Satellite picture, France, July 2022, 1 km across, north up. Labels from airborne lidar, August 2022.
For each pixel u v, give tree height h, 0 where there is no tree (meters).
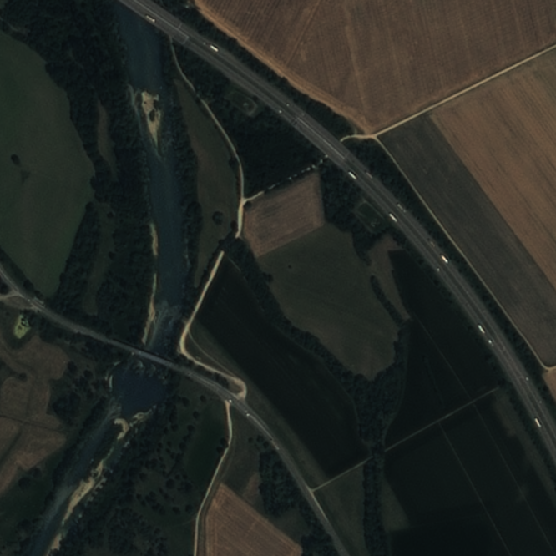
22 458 0
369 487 18
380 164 5
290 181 9
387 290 0
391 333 0
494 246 0
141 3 0
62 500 0
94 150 13
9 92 0
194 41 0
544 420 0
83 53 33
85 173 0
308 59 0
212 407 0
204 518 0
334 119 13
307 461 0
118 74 21
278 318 27
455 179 0
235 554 0
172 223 0
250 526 0
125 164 30
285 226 0
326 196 7
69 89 23
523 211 0
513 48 0
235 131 13
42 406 0
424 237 0
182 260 0
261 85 0
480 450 0
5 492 0
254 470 0
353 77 0
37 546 0
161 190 0
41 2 19
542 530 0
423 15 0
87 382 16
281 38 0
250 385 0
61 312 6
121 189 17
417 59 0
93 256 14
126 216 11
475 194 0
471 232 0
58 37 9
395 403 14
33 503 0
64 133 0
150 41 0
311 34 0
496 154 0
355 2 0
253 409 0
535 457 0
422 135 0
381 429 20
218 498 0
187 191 11
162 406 17
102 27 10
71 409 21
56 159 0
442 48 0
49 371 0
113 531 12
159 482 0
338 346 0
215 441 0
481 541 0
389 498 0
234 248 21
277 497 15
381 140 0
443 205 0
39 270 0
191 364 15
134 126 9
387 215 0
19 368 0
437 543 0
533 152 0
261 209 0
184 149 16
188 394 0
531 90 0
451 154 0
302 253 0
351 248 0
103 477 0
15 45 0
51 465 0
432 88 0
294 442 0
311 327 0
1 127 0
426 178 0
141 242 12
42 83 0
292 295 0
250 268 30
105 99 27
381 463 13
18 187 0
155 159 0
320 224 0
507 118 0
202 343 0
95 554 0
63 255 0
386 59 0
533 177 0
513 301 0
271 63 0
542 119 0
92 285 0
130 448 9
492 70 0
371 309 0
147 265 7
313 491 0
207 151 0
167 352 11
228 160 0
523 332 0
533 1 0
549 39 0
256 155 6
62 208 0
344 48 0
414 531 0
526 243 0
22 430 0
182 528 0
